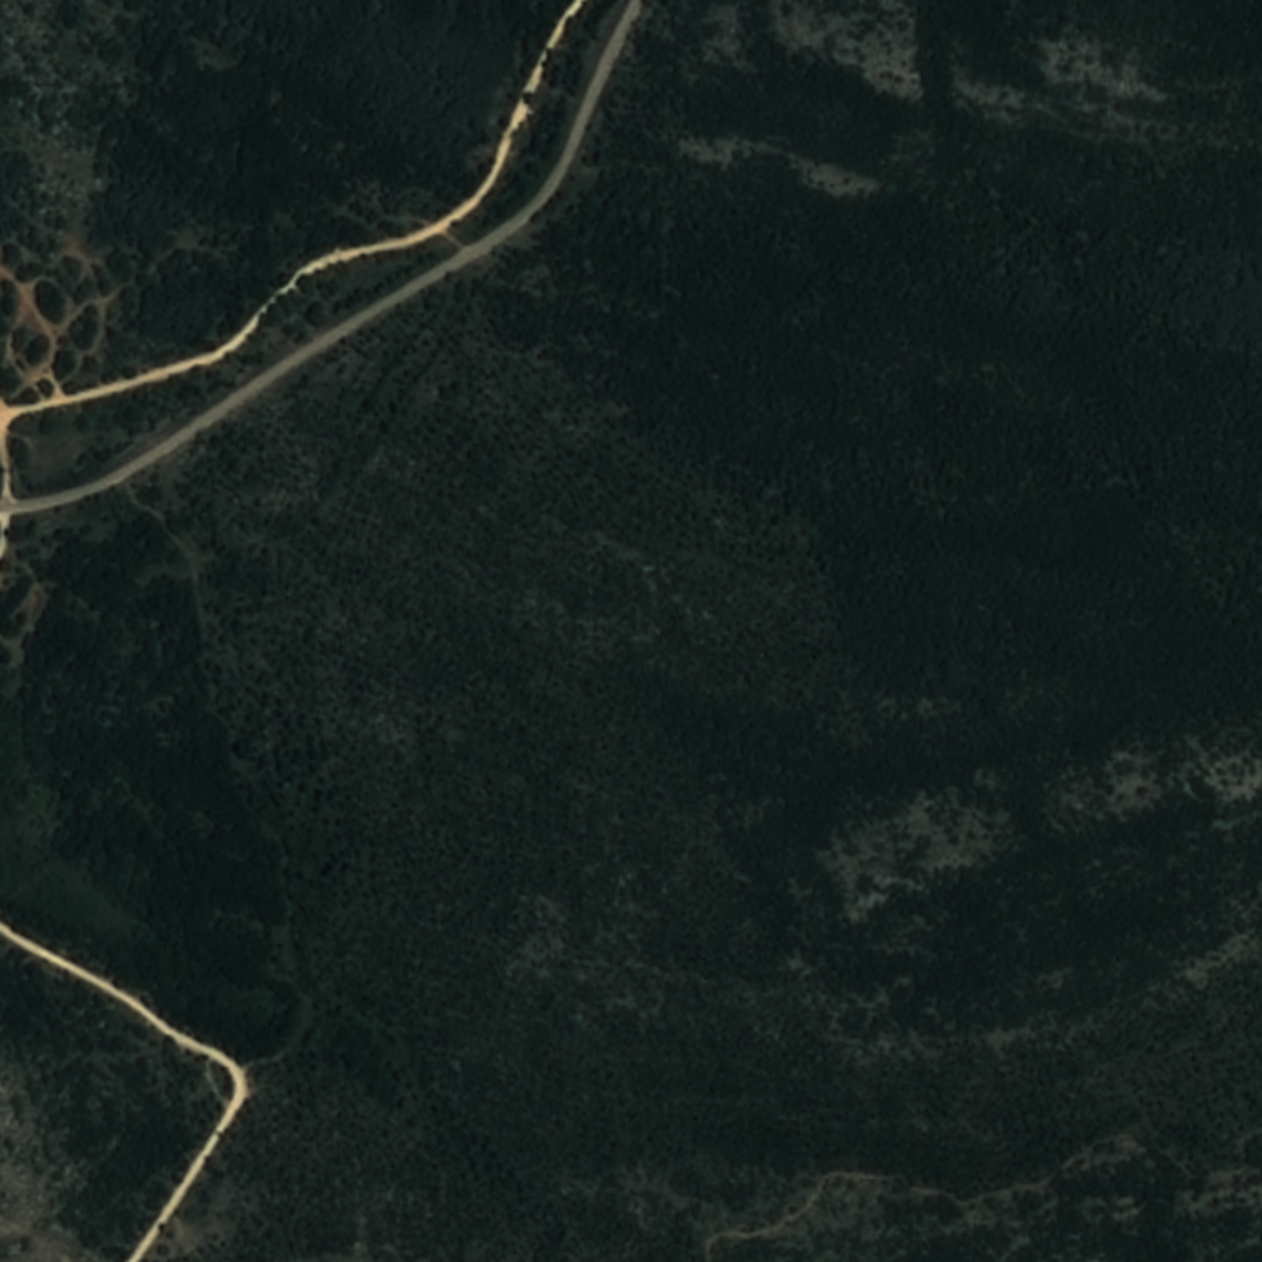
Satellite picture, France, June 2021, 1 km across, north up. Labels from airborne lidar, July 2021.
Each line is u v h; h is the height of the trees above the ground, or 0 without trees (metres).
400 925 7
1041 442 7
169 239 9
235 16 11
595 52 0
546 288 9
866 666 8
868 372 7
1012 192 8
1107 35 5
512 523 6
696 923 6
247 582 7
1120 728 7
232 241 7
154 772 10
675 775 6
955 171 6
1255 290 12
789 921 7
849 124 6
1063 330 8
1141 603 7
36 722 6
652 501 7
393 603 8
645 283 6
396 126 9
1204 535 6
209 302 12
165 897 13
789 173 5
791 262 9
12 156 9
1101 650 7
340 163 7
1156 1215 8
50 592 5
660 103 11
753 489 6
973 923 6
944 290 6
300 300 6
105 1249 6
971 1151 7
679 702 7
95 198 8
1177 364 6
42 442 0
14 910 12
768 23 6
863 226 5
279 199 7
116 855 9
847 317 6
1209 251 11
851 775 6
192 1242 0
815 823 6
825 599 7
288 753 10
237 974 15
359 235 7
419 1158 6
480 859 9
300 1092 8
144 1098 6
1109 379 7
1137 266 6
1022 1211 6
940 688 7
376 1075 10
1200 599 7
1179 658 7
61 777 10
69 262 6
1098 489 9
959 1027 7
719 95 9
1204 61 6
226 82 11
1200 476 6
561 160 0
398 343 11
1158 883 6
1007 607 8
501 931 7
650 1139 9
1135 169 6
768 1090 6
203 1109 8
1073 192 6
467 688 8
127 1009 0
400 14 15
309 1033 10
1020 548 9
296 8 11
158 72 12
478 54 14
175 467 0
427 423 6
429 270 0
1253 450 9
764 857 7
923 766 7
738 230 6
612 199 8
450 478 7
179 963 9
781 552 7
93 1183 7
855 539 9
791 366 6
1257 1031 6
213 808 11
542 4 11
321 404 6
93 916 0
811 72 8
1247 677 8
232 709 9
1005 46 8
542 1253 6
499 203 7
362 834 6
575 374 7
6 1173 0
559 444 10
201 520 9
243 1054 10
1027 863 6
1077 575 6
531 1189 7
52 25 7
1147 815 6
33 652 8
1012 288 9
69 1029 7
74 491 0
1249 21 7
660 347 7
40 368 0
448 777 7
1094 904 6
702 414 6
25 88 6
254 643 9
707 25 6
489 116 13
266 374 0
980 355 6
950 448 7
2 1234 0
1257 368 8
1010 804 7
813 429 6
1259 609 7
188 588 6
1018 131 6
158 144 7
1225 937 5
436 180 8
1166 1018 6
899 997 6
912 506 8
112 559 9
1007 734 6
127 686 7
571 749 9
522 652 7
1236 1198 6
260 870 12
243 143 9
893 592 7
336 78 14
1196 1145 10
